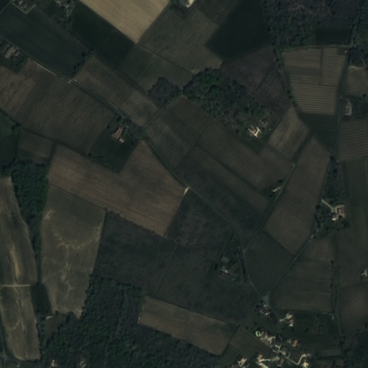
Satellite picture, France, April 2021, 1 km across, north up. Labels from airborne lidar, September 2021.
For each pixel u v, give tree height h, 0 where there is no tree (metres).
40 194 27
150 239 0
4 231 0
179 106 0
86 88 0
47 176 17
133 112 0
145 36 0
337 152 0
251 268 0
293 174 0
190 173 0
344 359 11
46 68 0
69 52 0
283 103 0
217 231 0
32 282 0
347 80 0
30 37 0
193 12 0
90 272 0
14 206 0
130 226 0
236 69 0
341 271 0
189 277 0
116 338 16
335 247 0
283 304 0
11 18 0
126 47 0
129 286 8
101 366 8
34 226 27
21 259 0
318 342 0
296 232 0
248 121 0
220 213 0
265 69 0
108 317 6
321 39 0
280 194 0
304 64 0
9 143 0
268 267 0
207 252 0
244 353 0
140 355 10
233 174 0
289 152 0
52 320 0
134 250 0
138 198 0
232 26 0
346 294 0
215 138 0
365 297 0
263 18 0
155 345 9
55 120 0
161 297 0
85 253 0
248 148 0
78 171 0
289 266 0
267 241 0
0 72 0
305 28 19
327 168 0
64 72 0
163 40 0
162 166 0
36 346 0
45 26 0
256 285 0
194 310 0
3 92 0
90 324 17
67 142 0
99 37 0
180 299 0
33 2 11
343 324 0
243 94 15
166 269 0
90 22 0
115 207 0
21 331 0
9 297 0
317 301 0
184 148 0
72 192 0
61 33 0
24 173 24
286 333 0
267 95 0
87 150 0
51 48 0
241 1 0
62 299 0
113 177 0
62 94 0
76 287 0
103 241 0
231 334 0
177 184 0
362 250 0
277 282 0
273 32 11
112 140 0
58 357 7
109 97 0
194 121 0
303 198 0
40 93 0
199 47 0
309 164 0
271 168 0
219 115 12
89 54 10
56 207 0
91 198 0
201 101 15
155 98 12
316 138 0
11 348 0
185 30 0
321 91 0
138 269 0
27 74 0
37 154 0
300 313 0
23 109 0
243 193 0
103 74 0
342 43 8
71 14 0
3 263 0
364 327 0
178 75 0
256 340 0
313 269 0
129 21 0
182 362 12
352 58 16
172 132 0
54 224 0
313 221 0
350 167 0
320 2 8
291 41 10
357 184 0
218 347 0
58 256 0
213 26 0
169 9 0
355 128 0
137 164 0
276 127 0
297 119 0
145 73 0
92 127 0
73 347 8
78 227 0
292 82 0
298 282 0
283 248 0
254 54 0
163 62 0
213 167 0
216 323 0
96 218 0
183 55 0
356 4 9
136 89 0
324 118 0
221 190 0
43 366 16
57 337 15
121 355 15
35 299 0
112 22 0
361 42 6
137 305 14
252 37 0
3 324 0
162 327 0
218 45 0
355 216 0
